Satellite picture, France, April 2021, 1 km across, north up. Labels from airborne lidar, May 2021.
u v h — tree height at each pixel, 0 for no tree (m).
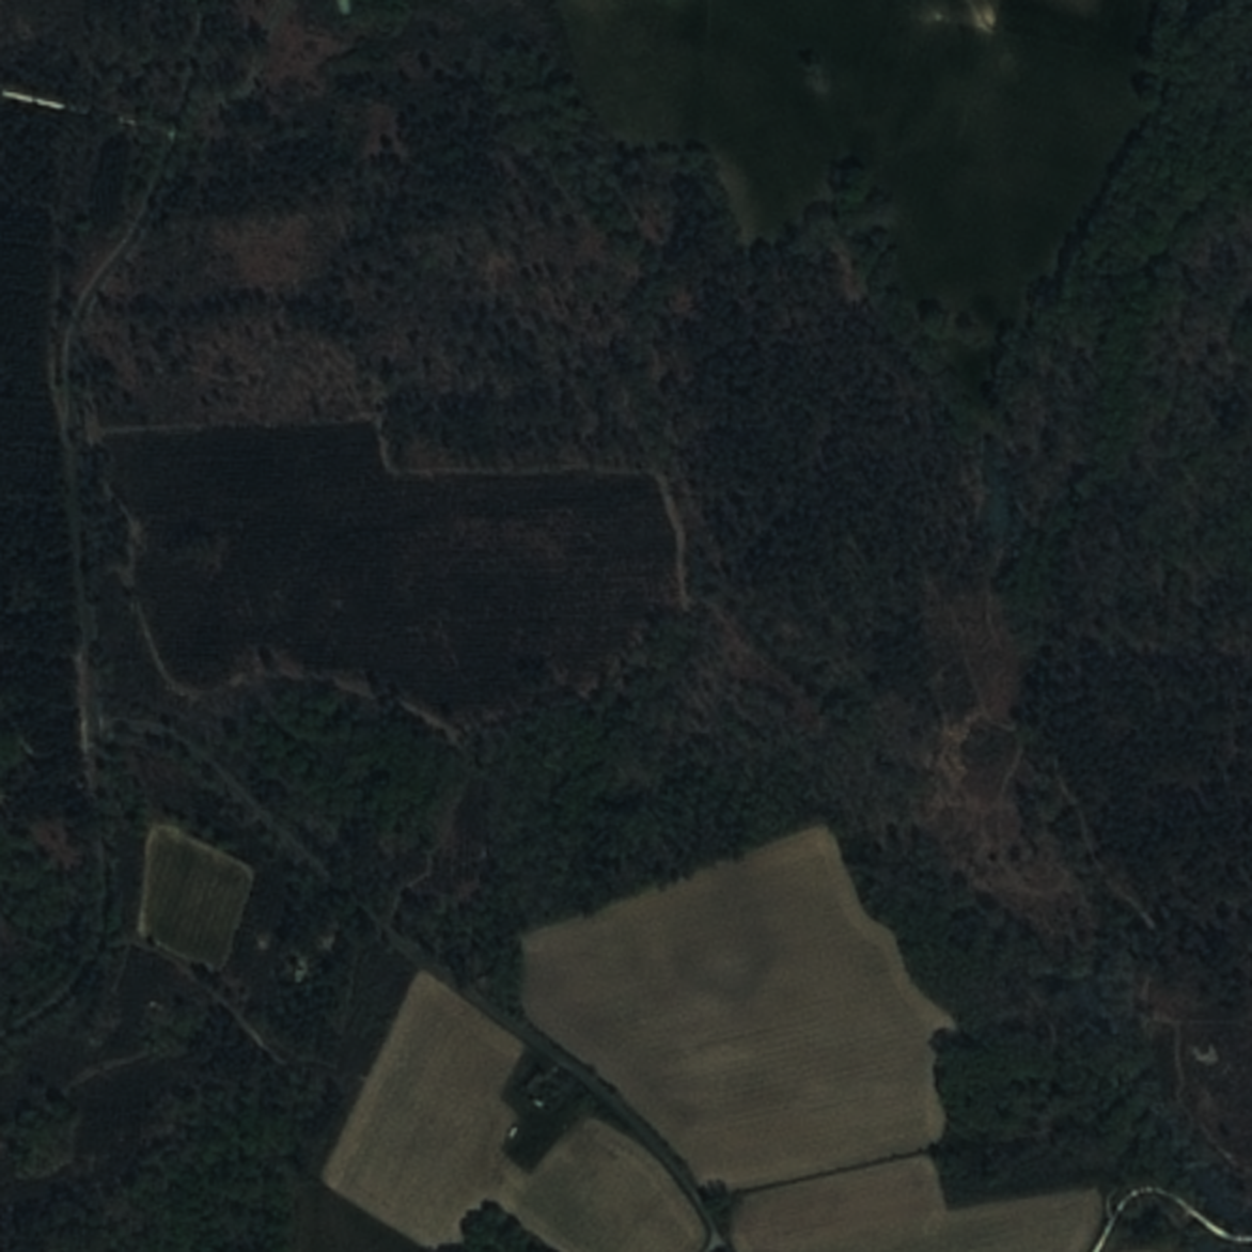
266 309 14
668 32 0
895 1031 0
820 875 0
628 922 0
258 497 7
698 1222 0
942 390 20
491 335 20
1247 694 23
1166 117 24
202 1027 12
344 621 6
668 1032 0
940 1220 0
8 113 9
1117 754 23
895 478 27
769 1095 0
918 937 20
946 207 0
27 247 16
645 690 18
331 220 7
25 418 12
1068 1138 16
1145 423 18
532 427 11
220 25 24
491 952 16
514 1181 0
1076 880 18
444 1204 0
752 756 15
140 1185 21
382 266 8
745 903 0
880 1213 0
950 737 0
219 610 8
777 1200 0
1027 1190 13
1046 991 18
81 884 13
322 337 9
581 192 16
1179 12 21
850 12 0
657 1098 0
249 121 19
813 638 25
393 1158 0
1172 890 24
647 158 13
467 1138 0
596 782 19
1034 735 21
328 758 17
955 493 24
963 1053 22
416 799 19
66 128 12
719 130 0
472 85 14
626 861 12
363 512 7
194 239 8
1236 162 25
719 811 17
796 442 25
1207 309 16
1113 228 23
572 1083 15
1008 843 0
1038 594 20
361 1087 7
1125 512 29
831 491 23
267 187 18
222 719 9
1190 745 20
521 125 17
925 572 25
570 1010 0
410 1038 0
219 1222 19
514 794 19
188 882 0
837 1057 0
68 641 17
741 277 23
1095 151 0
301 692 14
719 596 19
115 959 11
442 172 14
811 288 26
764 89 0
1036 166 0
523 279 15
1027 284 0
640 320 17
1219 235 17
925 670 21
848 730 19
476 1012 0
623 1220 0
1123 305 22
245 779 13
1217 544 22
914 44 0
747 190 0
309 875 15
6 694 21
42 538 17
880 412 26
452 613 7
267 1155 15
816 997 0
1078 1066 24
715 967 0
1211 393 13
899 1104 0
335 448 6
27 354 15
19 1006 12
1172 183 18
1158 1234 24
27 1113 16
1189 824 21
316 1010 22
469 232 13
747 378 22
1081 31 0
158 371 15
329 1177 0
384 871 13
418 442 21
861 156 0
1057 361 12
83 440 12
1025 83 0
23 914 19
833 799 12
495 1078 0
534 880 15
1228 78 21
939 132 0
